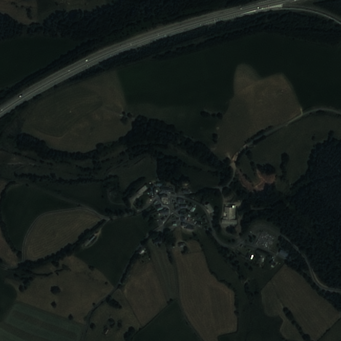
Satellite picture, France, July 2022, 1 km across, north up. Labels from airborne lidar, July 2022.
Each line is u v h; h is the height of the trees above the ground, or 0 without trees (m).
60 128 0
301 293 0
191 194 7
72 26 25
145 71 0
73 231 0
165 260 0
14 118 0
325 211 15
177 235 0
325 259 14
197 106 0
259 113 0
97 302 0
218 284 0
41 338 0
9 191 0
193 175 0
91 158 11
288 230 22
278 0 0
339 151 24
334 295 14
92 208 0
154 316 0
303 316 0
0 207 6
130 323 0
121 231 0
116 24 17
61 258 18
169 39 11
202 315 0
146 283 0
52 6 0
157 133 28
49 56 0
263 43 0
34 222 0
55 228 0
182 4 16
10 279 0
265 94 0
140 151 10
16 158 0
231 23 7
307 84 0
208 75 0
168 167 16
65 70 0
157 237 13
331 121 0
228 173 12
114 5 21
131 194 18
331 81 0
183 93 0
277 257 0
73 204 0
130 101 0
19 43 0
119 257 0
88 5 0
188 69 0
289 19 11
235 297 7
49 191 0
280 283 0
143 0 25
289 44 0
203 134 0
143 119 17
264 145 0
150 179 0
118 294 0
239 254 8
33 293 0
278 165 0
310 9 0
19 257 11
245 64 0
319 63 0
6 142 0
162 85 0
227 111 0
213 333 0
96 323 0
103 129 0
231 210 0
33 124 0
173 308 0
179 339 0
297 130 0
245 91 0
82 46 15
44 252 0
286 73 0
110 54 0
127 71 0
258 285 0
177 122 0
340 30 10
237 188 11
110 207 0
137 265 0
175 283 0
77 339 0
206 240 0
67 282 0
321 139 0
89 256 0
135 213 16
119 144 11
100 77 0
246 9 0
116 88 0
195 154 24
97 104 0
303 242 13
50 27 15
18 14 0
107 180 9
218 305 0
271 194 28
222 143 0
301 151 0
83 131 0
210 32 8
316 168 23
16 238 0
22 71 0
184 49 11
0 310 0
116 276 0
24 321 0
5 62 0
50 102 0
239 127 0
